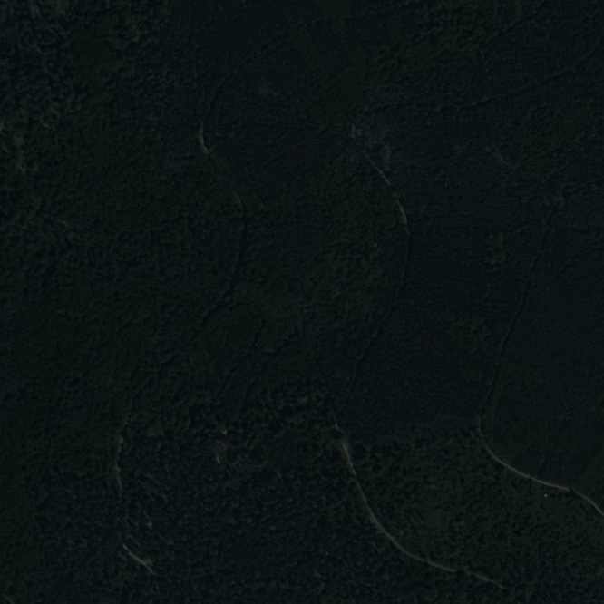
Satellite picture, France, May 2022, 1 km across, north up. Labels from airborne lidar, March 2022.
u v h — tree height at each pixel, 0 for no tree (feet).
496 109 77
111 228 41
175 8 72
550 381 60
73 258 71
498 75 83
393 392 75
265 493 84
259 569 93
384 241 68
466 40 81
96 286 62
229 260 76
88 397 56
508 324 58
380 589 106
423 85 72
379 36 61
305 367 56
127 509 40
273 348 54
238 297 63
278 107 75
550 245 48
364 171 54
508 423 52
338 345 74
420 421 65
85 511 101
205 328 70
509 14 68
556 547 27
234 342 64
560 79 79
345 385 97
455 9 61
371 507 47
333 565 89
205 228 76
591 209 20
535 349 58
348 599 93
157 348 67
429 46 71
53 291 67
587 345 52
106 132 67
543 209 54
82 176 79
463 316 56
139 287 73
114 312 65
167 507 106
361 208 60
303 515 72
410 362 83
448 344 75
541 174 60
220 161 45
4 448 69
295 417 107
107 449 30
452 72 53
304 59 56
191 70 71
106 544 91
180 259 76
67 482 101
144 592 102
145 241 52
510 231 70
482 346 61
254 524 87
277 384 50
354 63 57
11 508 73
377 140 62
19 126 54
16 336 72
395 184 70
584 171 68
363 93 66
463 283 58
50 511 109
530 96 79
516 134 70
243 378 60
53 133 46
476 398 70
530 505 29
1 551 55
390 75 77
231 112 87
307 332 73
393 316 74
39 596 62
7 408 90
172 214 71
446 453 71
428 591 96
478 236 51
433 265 57
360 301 81
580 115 71
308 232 100
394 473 38
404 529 19
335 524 28
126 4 32
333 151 69
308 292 74
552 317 57
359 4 67
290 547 81
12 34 41
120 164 63
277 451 49
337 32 63
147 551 82
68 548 97
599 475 50
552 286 50
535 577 21
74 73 53
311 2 71
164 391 52
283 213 74
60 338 53
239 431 83
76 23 52
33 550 61
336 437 71
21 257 58
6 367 72
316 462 53
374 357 85
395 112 71
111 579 99
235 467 101
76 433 53
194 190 64
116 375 73
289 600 84
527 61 85
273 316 56
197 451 94
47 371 50
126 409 46
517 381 56
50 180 77
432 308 60
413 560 21
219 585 89
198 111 60
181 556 97
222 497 87
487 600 89
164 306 77
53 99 20
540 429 40
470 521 33
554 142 68
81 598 73
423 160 68
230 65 62
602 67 78
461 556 33
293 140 80
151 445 118
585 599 29
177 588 81
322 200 72
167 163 28
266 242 78
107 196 66
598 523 21
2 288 64
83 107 95
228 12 58
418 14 70
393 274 62
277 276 71
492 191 54
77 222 78
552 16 87
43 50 96
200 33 60
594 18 91
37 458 28
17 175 46
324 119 52
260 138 82
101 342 52
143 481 100
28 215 86
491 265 37
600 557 29
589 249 48
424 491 22
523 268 48
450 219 58
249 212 60
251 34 65
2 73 98
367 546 101
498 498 21
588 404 55
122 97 58
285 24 67
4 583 70
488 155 69
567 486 39
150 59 64
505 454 40
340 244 79
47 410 40
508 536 27
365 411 80
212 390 55
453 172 65
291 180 91
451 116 68
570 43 91
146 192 81
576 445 50
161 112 67
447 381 74
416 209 68
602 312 57
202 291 56
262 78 52
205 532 95
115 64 51
